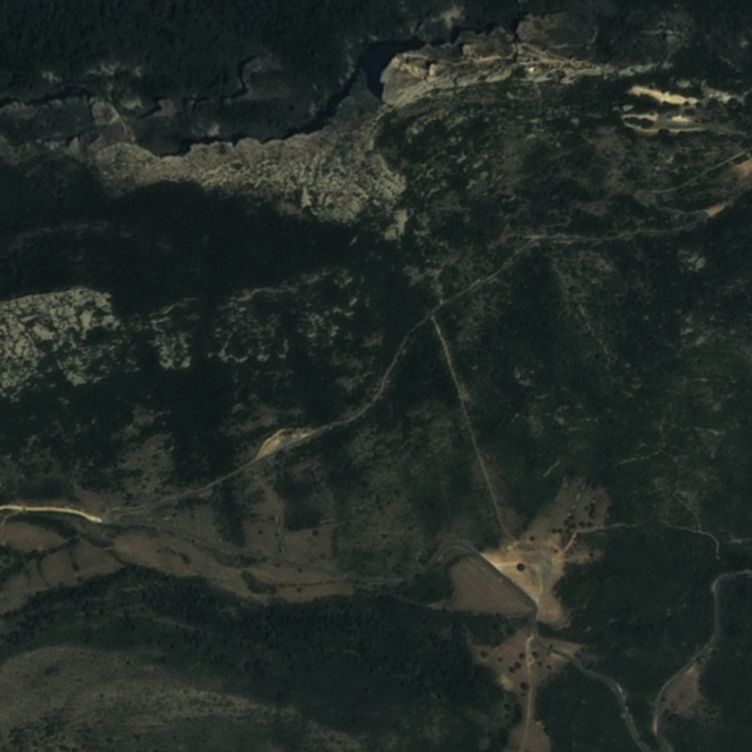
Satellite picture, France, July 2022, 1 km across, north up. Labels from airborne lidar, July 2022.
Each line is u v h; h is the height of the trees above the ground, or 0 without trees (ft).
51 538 0
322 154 0
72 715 0
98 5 20
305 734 0
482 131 20
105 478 21
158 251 26
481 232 24
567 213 23
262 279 31
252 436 21
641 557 0
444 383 30
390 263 24
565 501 0
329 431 25
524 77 125
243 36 21
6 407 22
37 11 71
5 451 26
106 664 0
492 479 0
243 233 19
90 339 22
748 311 25
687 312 27
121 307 36
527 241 21
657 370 21
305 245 22
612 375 20
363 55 18
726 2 21
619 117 25
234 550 0
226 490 18
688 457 0
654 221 25
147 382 22
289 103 18
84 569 0
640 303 20
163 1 52
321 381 22
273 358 26
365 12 21
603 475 21
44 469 22
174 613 24
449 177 21
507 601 0
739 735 0
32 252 30
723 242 21
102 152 0
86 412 27
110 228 20
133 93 19
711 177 26
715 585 0
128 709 0
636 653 0
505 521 0
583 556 0
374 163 0
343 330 24
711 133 20
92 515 0
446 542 0
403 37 19
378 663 31
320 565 0
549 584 0
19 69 32
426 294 24
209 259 27
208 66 19
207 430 26
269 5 41
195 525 0
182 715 0
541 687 0
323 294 25
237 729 0
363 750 0
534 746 0
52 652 0
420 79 0
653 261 19
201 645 34
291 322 35
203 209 21
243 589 0
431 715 0
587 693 0
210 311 28
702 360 21
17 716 0
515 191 22
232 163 0
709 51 21
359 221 22
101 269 25
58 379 31
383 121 27
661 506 0
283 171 0
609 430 25
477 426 22
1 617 20
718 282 17
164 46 25
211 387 27
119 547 0
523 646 0
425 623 34
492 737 19
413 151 29
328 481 17
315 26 25
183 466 22
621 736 0
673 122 0
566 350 22
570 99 30
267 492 0
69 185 22
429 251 27
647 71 34
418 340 25
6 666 0
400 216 0
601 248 25
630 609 22
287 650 22
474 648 0
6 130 20
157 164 0
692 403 19
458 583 0
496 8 31
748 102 20
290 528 32
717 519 0
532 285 26
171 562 0
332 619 30
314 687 18
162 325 26
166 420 27
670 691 0
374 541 0
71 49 23
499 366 21
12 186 28
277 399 18
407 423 17
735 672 0
